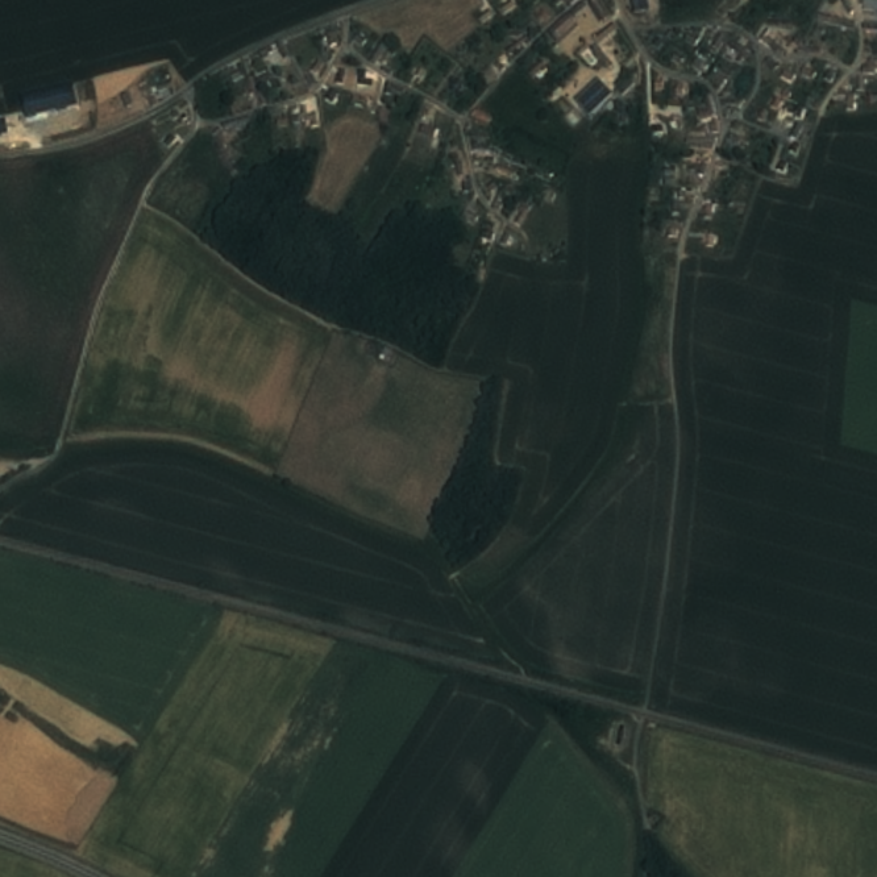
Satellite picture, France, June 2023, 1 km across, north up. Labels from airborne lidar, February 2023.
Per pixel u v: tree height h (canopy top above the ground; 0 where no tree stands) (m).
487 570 0
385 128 6
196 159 0
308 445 0
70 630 0
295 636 0
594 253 0
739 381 0
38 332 0
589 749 0
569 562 0
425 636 0
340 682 0
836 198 0
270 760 0
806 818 0
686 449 0
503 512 14
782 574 0
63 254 0
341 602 0
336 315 14
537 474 0
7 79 0
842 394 0
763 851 0
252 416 0
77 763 0
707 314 0
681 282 0
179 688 0
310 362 0
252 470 0
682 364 0
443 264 17
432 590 0
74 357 0
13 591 0
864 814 0
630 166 0
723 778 0
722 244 0
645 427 0
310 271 17
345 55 0
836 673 0
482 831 0
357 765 0
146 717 0
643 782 0
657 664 0
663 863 12
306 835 0
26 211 0
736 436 0
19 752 0
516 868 0
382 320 18
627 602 0
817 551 0
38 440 0
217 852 0
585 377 0
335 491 0
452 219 17
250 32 0
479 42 7
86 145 0
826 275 0
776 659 0
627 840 0
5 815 0
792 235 0
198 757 0
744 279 0
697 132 0
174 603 0
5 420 0
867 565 0
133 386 0
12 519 0
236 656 0
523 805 0
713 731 0
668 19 0
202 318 0
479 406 13
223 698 0
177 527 0
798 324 0
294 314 0
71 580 0
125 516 0
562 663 0
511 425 0
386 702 0
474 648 0
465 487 17
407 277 18
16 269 0
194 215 0
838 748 0
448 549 9
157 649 0
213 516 0
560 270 0
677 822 0
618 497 0
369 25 0
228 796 0
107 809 0
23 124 0
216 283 0
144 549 0
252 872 0
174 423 0
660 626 0
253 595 0
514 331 0
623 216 0
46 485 0
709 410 0
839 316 0
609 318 0
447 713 0
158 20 0
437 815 0
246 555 0
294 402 0
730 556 0
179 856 0
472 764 0
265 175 16
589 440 0
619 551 0
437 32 0
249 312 0
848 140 0
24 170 0
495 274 0
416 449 0
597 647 0
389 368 0
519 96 0
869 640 0
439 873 0
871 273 0
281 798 0
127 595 0
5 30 0
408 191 0
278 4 0
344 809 0
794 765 0
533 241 0
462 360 0
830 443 0
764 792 0
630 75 10
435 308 18
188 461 0
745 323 0
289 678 0
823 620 0
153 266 0
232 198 14
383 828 0
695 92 6
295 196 18
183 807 0
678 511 0
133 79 0
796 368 0
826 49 0
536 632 0
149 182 0
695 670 0
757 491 0
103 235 0
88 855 0
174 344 0
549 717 0
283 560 0
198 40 0
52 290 0
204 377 0
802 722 0
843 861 0
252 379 0
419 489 0
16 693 0
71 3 0
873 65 0
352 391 0
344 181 0
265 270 16
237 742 0
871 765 0
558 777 0
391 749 0
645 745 0
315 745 0
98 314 0
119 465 0
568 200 0
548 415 0
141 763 0
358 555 0
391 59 0
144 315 0
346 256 20
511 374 0
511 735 0
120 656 0
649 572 0
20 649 0
